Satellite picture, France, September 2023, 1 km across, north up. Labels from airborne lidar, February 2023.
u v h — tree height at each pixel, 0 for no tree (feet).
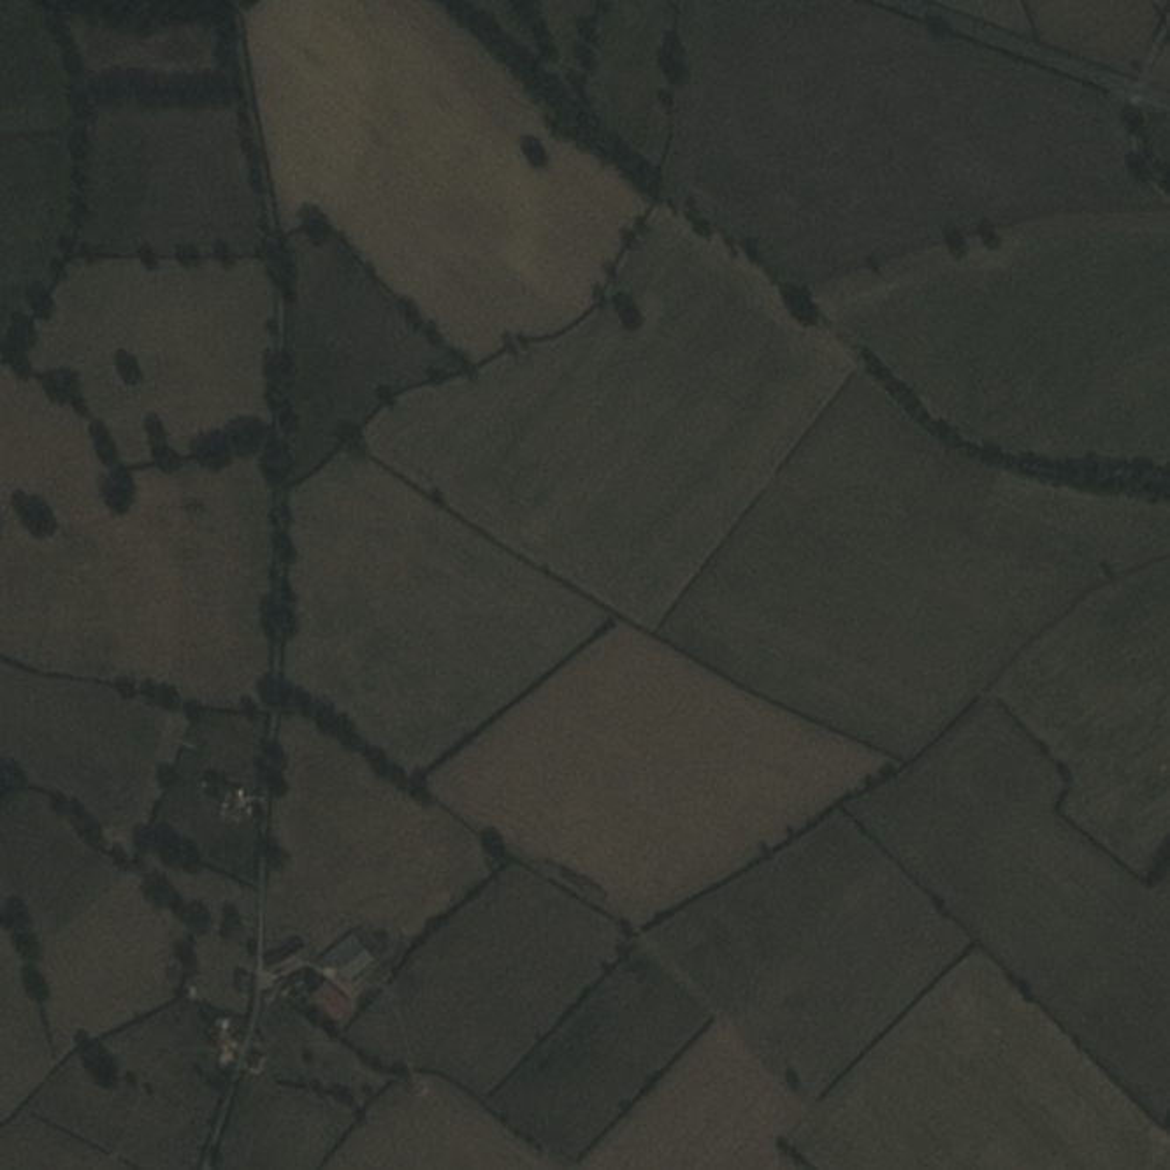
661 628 0
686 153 0
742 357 0
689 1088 0
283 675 0
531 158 49
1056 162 0
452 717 0
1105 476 31
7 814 0
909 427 0
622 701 0
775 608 0
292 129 0
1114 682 0
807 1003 0
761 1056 0
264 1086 0
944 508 0
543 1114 0
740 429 0
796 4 0
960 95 0
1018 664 0
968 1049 0
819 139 0
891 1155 0
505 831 0
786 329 0
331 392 0
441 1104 0
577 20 0
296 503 0
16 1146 0
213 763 0
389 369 0
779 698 0
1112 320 0
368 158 0
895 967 0
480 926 0
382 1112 0
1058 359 0
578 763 0
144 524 0
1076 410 0
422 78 0
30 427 0
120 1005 0
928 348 0
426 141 0
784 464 0
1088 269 0
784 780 0
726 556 0
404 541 0
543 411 0
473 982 0
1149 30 0
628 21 0
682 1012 0
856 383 0
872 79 0
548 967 0
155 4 68
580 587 0
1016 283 0
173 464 42
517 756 0
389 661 0
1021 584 0
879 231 0
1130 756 0
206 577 0
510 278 0
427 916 0
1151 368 0
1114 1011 0
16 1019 0
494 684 0
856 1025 0
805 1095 0
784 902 0
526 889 0
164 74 0
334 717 54
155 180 0
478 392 0
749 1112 0
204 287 0
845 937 0
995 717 0
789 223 0
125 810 0
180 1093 0
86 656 0
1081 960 0
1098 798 0
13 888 0
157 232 0
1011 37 0
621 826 0
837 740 0
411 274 0
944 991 0
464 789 0
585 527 0
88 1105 0
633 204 0
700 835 0
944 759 0
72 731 0
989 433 0
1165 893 0
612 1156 0
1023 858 0
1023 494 0
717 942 0
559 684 0
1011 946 0
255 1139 0
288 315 0
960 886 0
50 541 0
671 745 0
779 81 0
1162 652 0
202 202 0
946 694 0
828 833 0
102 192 0
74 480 0
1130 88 0
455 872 0
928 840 0
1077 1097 0
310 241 41
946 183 0
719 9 0
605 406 0
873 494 0
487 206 0
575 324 0
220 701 0
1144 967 0
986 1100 0
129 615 0
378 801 0
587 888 0
